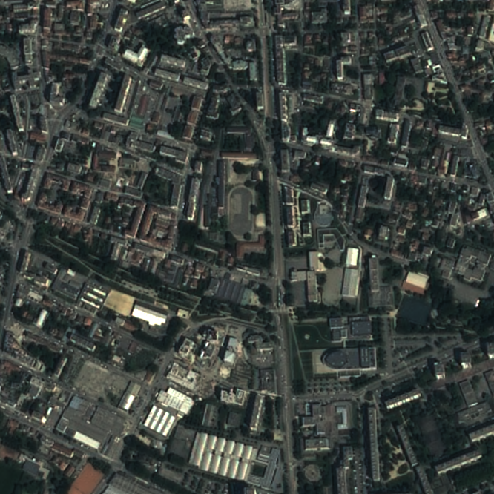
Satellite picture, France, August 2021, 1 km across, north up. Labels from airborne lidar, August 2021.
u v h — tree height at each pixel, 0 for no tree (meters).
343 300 9
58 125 0
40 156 0
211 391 0
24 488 14
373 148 8
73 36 8
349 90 0
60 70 14
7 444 9
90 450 0
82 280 0
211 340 0
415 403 12
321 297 0
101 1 0
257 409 0
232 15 0
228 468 0
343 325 0
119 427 0
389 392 12
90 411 0
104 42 0
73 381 0
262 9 0
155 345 17
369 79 0
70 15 0
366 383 14
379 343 13
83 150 13
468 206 0
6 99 6
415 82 0
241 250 0
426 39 0
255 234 0
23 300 0
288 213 0
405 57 0
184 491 17
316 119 18
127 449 6
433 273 23
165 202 12
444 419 9
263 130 0
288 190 0
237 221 0
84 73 9
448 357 0
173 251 0
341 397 0
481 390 0
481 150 0
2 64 0
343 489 0
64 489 17
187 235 6
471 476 25
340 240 0
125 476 0
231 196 0
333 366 0
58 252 8
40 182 0
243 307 7
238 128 0
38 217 16
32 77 0
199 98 0
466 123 0
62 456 7
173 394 0
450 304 21
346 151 0
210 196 9
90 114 16
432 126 0
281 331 0
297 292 0
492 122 9
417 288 0
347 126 0
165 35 15
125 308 0
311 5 8
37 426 0
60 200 6
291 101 0
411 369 0
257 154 17
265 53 0
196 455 0
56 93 0
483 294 0
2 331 0
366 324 0
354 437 22
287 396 0
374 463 0
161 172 0
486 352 0
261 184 12
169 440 9
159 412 0
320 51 7
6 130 15
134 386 0
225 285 0
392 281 0
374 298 0
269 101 0
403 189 11
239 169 22
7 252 12
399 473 0
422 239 13
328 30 21
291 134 0
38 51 0
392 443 12
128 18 0
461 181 0
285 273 0
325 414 0
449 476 11
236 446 0
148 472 18
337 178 15
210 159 11
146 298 0
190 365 0
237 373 0
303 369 0
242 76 12
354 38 0
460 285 0
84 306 0
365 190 0
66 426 0
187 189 0
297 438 9
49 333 5
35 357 23
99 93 0
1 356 0
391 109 20
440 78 0
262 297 17
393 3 7
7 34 12
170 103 0
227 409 16
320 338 0
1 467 0
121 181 0
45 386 0
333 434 0
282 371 0
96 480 0
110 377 0
